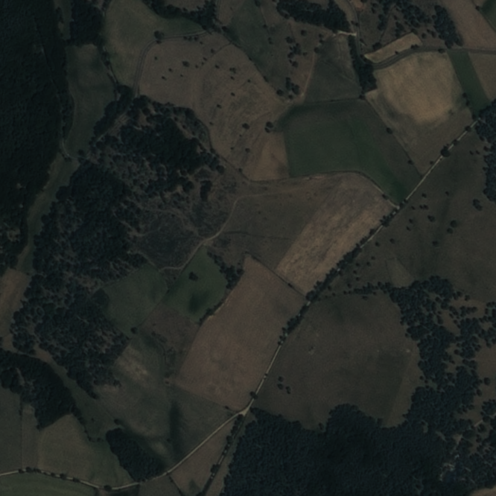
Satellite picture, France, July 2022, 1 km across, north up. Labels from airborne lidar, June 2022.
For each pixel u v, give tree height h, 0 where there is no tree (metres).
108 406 0
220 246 0
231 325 0
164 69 0
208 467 0
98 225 17
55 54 21
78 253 15
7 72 16
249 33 0
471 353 13
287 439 18
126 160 8
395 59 0
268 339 0
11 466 0
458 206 0
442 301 14
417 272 0
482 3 0
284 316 0
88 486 0
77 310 17
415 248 0
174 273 0
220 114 0
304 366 0
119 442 22
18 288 0
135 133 23
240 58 0
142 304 0
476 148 0
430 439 20
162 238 0
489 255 0
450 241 0
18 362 17
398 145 0
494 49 0
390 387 0
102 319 19
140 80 0
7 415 0
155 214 0
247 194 0
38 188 20
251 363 0
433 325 15
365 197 0
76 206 12
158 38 15
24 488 0
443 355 12
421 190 0
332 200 0
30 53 13
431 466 16
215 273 0
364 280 0
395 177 0
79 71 0
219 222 0
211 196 0
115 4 0
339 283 0
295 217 0
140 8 0
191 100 0
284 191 0
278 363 0
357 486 17
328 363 0
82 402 0
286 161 0
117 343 16
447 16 15
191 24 0
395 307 0
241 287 0
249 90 0
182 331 0
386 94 0
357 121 0
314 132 0
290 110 0
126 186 10
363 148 0
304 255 0
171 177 17
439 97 0
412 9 16
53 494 0
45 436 0
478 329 12
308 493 21
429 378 13
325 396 0
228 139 0
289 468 22
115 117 14
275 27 0
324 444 21
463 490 18
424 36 11
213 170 12
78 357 8
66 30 0
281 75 0
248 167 0
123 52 0
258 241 0
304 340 0
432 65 0
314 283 0
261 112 0
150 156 9
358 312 0
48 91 24
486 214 0
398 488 17
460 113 0
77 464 0
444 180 0
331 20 17
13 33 22
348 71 0
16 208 9
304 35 9
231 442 10
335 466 17
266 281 0
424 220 0
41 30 18
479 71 0
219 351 0
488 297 0
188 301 0
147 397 0
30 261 0
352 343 0
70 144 0
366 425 18
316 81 0
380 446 20
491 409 19
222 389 0
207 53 0
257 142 0
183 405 0
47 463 0
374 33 0
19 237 14
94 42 21
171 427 0
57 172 0
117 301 0
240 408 0
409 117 0
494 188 17
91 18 11
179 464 0
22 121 19
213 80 0
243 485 16
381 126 0
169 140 17
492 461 17
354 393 0
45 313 7
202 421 0
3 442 0
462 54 0
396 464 19
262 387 0
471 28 0
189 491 0
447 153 16
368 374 0
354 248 0
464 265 0
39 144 20
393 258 0
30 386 14
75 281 11
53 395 17
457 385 15
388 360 0
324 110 0
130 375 0
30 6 23
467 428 13
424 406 18
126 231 6
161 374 0
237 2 0
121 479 0
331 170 0
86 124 0
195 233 0
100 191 14
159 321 0
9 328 0
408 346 0
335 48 0
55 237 16
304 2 13
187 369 0
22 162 16
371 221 0
